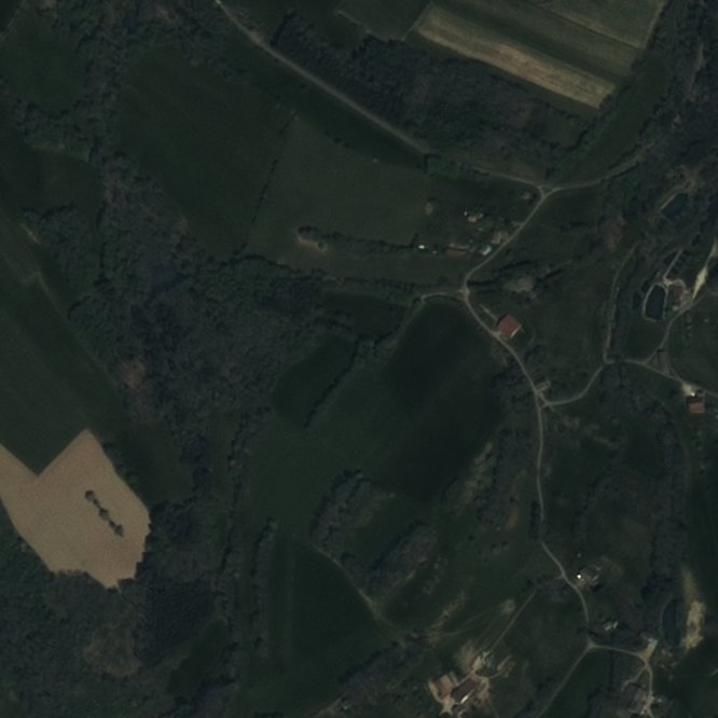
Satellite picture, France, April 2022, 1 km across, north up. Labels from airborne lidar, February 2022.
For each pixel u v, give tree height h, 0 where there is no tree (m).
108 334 19
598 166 0
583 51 0
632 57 0
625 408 16
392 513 0
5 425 0
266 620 9
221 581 13
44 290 0
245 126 0
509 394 26
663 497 25
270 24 0
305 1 0
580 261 16
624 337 19
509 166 0
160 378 32
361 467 0
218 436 0
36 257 0
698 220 21
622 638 16
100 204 0
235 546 13
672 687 0
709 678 0
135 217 19
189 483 0
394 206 0
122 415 0
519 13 0
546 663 0
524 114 28
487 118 12
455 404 0
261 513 0
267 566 19
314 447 0
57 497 0
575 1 0
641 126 0
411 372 0
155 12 25
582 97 0
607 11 0
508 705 0
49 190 0
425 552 23
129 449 0
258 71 0
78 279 21
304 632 0
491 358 0
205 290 23
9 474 0
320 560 0
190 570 27
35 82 0
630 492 0
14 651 23
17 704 0
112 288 30
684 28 20
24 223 0
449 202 0
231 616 15
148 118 0
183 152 0
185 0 22
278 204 0
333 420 0
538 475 22
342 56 24
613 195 19
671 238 18
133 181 23
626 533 0
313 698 0
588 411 0
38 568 10
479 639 0
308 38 20
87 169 0
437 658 0
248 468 14
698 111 24
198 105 0
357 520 14
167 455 0
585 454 0
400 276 0
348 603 0
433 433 0
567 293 0
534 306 10
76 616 25
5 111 0
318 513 0
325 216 0
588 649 0
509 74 0
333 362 0
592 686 0
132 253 11
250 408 14
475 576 0
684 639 0
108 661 0
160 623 25
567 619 0
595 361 0
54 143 24
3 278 0
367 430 0
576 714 0
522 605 0
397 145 0
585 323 0
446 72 23
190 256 23
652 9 0
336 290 17
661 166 27
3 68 0
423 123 26
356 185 0
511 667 0
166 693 15
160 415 28
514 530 0
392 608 0
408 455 0
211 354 20
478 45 0
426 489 0
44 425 0
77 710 13
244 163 0
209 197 0
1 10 0
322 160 0
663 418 20
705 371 0
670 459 22
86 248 28
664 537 20
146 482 0
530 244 0
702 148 32
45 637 10
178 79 0
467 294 0
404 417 0
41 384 0
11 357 0
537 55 0
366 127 0
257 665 0
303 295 23
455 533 0
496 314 0
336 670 0
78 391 0
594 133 19
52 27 6
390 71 25
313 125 0
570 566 0
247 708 0
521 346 0
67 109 0
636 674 0
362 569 21
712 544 0
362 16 0
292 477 0
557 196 0
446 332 0
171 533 23
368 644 0
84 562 0
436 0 0
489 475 0
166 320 31
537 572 0
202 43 27
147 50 18
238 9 16
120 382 23
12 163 0
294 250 0
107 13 20
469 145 24
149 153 0
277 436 0
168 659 16
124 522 0
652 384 0
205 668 0
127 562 0
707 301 0
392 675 27
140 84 0
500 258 0
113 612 25
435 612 0
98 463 0
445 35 0
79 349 0
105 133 24
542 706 20
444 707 0
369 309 0
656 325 0
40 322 0
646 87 0
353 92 23
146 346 14
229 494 0
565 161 23
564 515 0
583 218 0
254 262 17
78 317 15
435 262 0
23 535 0
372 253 9
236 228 0
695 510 0
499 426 0
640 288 0
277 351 18
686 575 0
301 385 0
